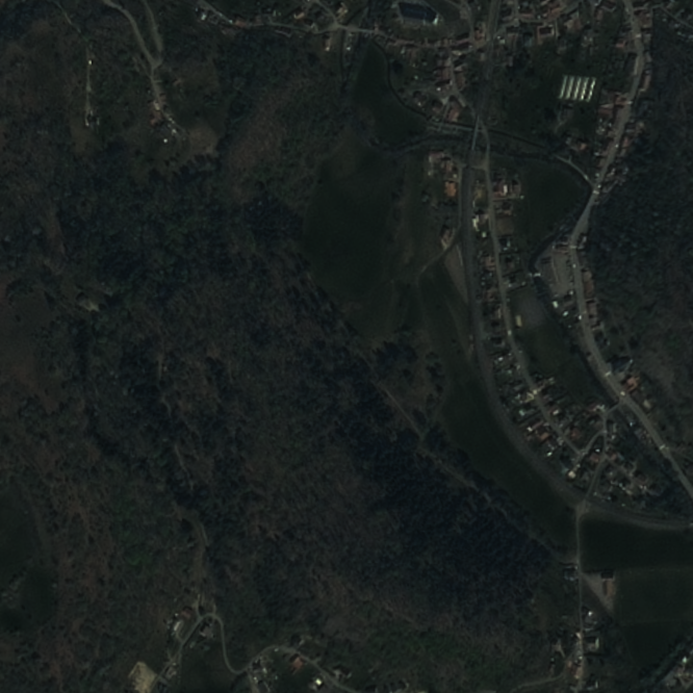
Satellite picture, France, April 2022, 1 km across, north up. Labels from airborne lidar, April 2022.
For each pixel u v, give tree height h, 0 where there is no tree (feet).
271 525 74
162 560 67
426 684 26
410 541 77
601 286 25
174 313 68
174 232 77
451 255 0
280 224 96
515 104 0
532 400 0
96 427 49
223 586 76
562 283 0
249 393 93
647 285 34
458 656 49
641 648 0
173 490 37
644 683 47
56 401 0
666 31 0
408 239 0
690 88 0
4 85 44
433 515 82
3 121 31
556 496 0
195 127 0
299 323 58
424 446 21
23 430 0
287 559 45
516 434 0
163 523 76
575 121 0
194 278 42
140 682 0
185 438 22
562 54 19
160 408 86
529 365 0
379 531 66
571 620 0
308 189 69
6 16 53
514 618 63
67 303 27
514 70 46
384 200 0
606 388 0
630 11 0
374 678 30
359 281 0
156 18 0
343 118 37
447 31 0
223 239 92
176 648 0
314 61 53
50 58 0
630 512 0
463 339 0
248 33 30
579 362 0
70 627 24
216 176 51
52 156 87
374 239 0
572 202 0
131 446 68
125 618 54
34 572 0
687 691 0
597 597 0
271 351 98
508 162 0
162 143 0
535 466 0
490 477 0
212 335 62
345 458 67
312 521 96
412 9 0
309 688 0
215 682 0
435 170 0
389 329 0
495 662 44
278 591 60
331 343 29
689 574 0
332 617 0
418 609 29
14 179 35
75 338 56
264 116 35
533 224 0
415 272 0
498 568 112
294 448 63
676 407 23
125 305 93
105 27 31
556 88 0
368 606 36
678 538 0
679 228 34
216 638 0
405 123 0
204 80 0
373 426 19
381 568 68
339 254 0
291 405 66
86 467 22
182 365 55
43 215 77
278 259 116
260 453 75
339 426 27
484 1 0
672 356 22
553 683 0
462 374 0
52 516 39
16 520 0
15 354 0
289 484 54
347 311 0
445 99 0
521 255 27
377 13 30
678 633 0
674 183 26
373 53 0
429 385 0
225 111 0
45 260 86
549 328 0
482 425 0
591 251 33
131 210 84
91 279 32
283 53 52
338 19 0
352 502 71
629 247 19
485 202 0
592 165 39
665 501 54
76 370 42
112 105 20
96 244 95
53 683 45
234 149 36
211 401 33
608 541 0
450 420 0
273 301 81
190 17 0
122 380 81
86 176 75
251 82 43
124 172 100
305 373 97
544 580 24
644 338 41
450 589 82
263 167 59
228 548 35
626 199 26
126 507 68
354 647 40
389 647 31
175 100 0
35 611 0
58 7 47
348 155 0
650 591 0
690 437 0
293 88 23
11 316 0
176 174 0
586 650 25
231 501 82
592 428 0
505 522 42
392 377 30
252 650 0
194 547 75
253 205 89
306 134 30
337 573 22
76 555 36
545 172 0
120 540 64
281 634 56
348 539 103
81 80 27
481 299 35
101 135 0
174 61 59
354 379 58
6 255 30
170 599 63
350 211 0
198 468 47
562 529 0
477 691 56
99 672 59
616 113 0
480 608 49
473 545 73
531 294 0
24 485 33
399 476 86
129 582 40
